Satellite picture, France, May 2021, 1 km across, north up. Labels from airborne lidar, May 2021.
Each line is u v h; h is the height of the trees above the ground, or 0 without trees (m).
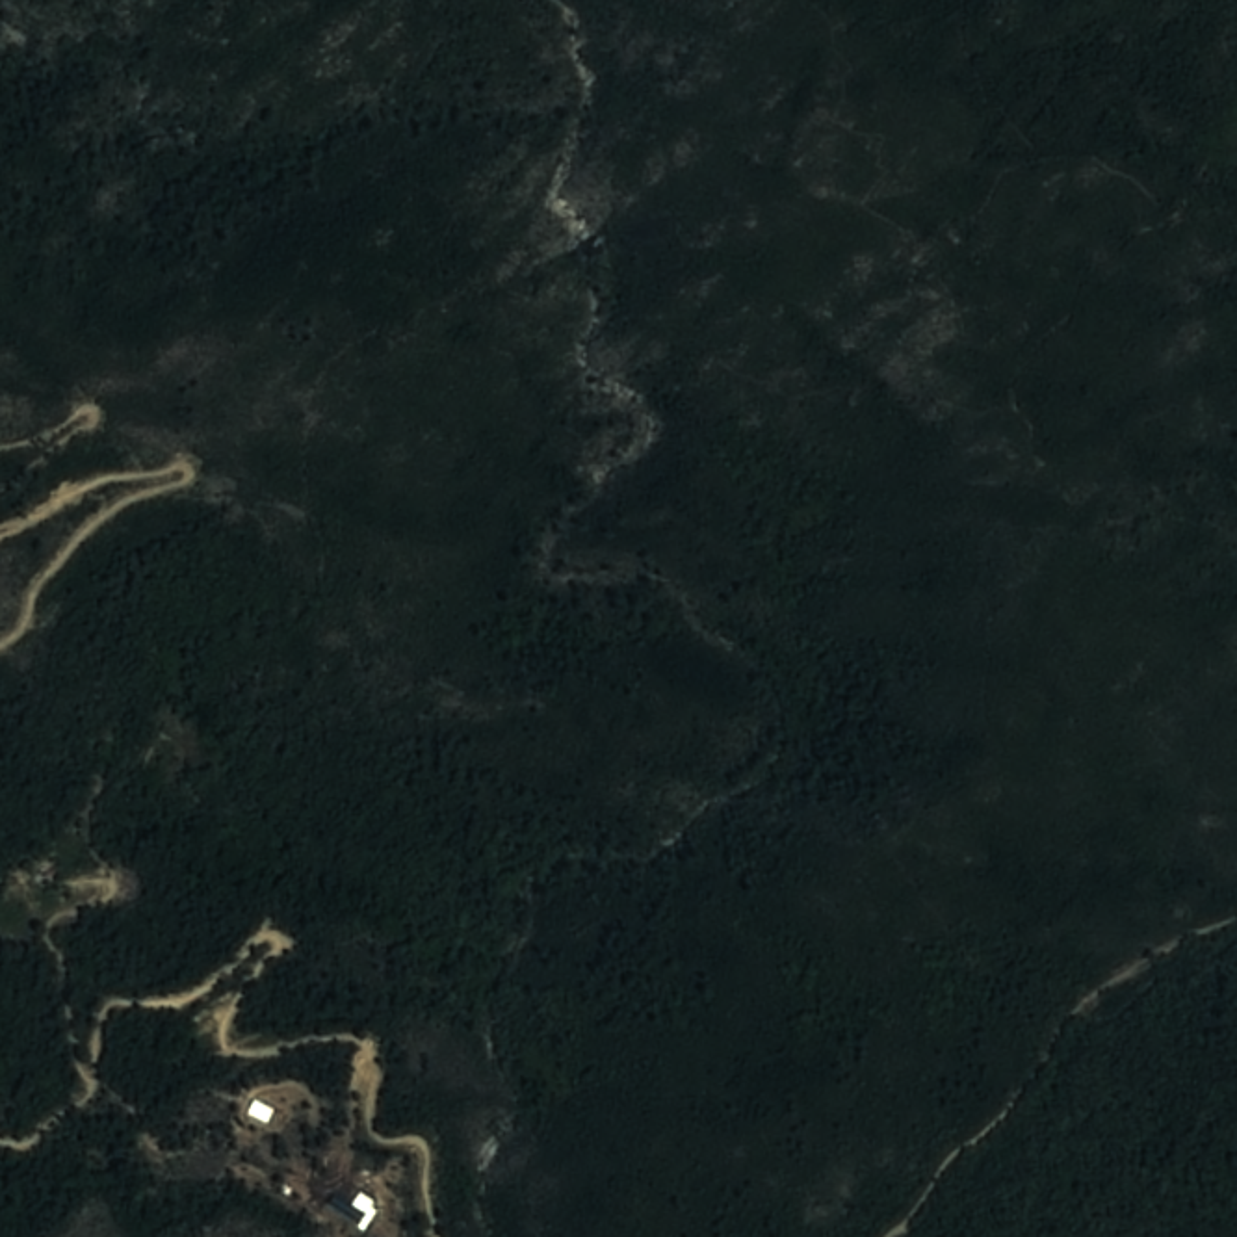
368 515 7
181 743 0
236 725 14
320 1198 0
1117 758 6
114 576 17
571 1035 11
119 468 6
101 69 7
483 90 24
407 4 6
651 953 19
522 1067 10
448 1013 15
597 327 9
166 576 12
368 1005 25
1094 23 8
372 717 10
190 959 17
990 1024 10
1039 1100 12
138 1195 13
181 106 7
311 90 7
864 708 13
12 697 6
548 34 10
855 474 6
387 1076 6
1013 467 0
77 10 13
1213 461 7
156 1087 14
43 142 5
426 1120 10
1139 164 10
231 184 10
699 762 10
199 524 12
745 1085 7
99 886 0
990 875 6
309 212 7
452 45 9
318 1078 14
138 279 7
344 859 11
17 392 5
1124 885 6
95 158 27
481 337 8
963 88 7
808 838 6
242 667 14
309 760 11
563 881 22
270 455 6
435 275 8
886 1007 7
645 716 7
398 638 6
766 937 7
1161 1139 15
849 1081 15
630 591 8
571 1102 7
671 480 6
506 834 14
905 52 6
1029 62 10
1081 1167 15
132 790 13
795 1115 17
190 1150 16
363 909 18
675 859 13
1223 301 8
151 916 10
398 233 7
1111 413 9
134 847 15
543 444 10
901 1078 7
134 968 15
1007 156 12
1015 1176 8
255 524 10
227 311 6
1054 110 10
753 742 9
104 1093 11
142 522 7
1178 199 10
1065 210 6
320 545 6
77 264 12
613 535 19
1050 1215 14
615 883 27
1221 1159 16
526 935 27
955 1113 8
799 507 8
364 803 14
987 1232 13
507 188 7
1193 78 8
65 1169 19
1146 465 7
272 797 17
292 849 21
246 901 15
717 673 7
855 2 6
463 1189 7
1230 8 8
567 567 26
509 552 7
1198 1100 17
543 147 7
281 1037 11
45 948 6
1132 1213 13
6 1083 12
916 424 8
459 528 6
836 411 7
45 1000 6
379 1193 0
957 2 6
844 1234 9
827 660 13
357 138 10
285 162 15
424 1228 22
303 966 15
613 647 12
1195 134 6
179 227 20
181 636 13
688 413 6
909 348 0
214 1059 7
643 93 7
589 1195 6
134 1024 12
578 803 20
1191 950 9
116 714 14
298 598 11
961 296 6
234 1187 17
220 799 12
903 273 7
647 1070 7
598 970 20
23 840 17
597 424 8
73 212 9
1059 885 7
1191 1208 10
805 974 8
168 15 7
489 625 12
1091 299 5
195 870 28
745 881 11
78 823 14
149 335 6
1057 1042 12
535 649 19
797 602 10
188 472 0
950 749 7
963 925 8
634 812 8
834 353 7
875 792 14
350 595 6
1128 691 6
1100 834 8
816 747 16
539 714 18
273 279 7
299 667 6
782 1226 7
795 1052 6
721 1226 17
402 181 7
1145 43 8
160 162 10
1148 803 6
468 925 8
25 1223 7
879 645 9
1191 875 7
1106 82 7
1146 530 10
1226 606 11
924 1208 8
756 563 7
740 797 6
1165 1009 10
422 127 25
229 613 15
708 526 7
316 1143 13
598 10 5
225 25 7
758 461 11
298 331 19
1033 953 12
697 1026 9
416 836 12
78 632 13
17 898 0
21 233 12
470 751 22
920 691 7
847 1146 6
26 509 17
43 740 13
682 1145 6
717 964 7
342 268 6
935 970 8
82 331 6
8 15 14
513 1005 9
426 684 7
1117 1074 12
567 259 11
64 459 7
